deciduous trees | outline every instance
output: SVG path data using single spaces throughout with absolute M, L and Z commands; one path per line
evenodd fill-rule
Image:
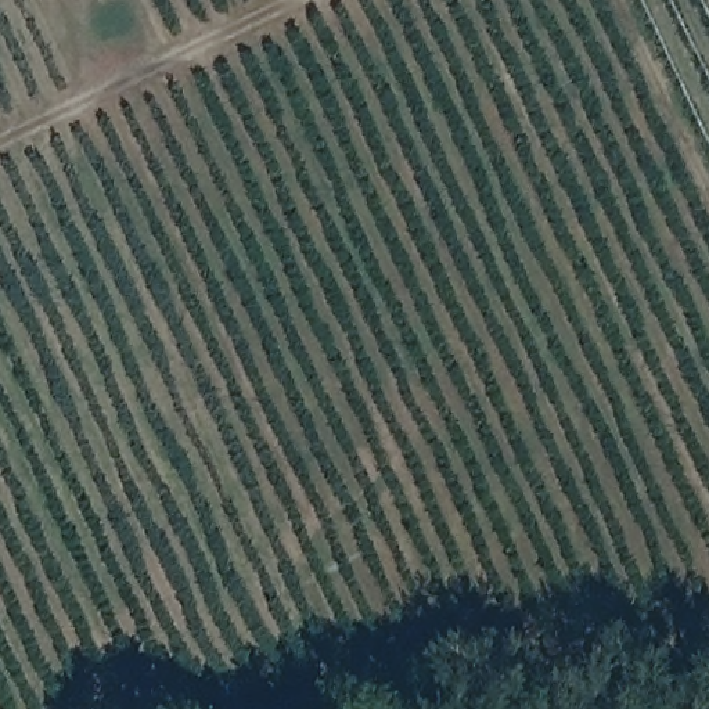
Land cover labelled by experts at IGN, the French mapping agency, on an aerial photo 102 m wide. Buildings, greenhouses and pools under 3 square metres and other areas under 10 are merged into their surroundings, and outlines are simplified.
M 33 565 L 8 523 L 6 507 L 0 504 L 0 535 L 25 579 L 25 587 L 33 598 L 33 609 L 61 659 L 61 673 L 50 670 L 0 562 L 0 595 L 6 601 L 8 620 L 14 623 L 33 670 L 44 681 L 44 698 L 30 690 L 0 631 L 0 709 L 47 709 L 44 701 L 61 692 L 61 676 L 72 676 L 72 645 L 66 645 L 47 607 L 47 595 L 33 573 Z
M 191 424 L 183 407 L 166 349 L 147 318 L 141 296 L 105 230 L 105 222 L 83 194 L 80 177 L 72 169 L 72 158 L 61 138 L 53 138 L 50 147 L 72 186 L 72 194 L 97 241 L 97 249 L 102 252 L 105 266 L 111 269 L 114 282 L 130 307 L 141 341 L 150 349 L 150 357 L 172 399 L 172 410 L 177 413 L 186 438 L 191 440 L 202 465 L 208 468 L 208 476 L 222 499 L 222 510 L 233 526 L 233 535 L 238 537 L 246 559 L 252 562 L 260 579 L 266 604 L 280 626 L 280 637 L 288 643 L 288 651 L 296 659 L 305 659 L 305 643 L 299 629 L 282 609 L 269 579 L 269 571 L 249 532 L 241 523 L 233 496 L 227 496 L 208 446 L 202 443 L 197 427 Z
M 177 33 L 180 22 L 169 0 L 152 0 L 155 8 L 166 30 Z
M 83 609 L 75 601 L 66 576 L 61 573 L 42 535 L 33 510 L 28 507 L 22 482 L 11 471 L 8 454 L 0 443 L 0 474 L 11 487 L 17 515 L 25 532 L 30 535 L 30 543 L 39 551 L 42 565 L 50 582 L 55 584 L 58 598 L 75 626 L 78 648 L 91 662 L 102 662 L 105 645 L 94 645 Z
M 42 61 L 55 89 L 64 89 L 64 75 L 58 72 L 53 50 L 25 0 L 14 0 L 14 6 L 25 17 L 25 25 L 33 36 L 33 44 L 42 53 Z
M 341 662 L 318 662 L 313 667 L 318 673 L 321 692 L 321 703 L 316 709 L 709 709 L 709 634 L 695 637 L 701 651 L 692 654 L 692 670 L 670 673 L 670 654 L 659 648 L 667 634 L 659 634 L 654 626 L 634 626 L 629 631 L 626 623 L 612 623 L 604 629 L 604 637 L 595 643 L 590 659 L 582 659 L 568 670 L 546 673 L 537 659 L 537 643 L 543 640 L 543 634 L 504 634 L 499 629 L 487 629 L 482 637 L 468 640 L 460 631 L 449 631 L 446 637 L 432 640 L 421 654 L 410 656 L 410 670 L 393 690 L 388 684 L 371 684 L 357 676 L 349 676 Z
M 288 33 L 280 42 L 274 42 L 271 36 L 263 39 L 260 50 L 241 55 L 246 69 L 238 75 L 233 75 L 230 64 L 216 72 L 213 61 L 205 66 L 191 66 L 191 72 L 177 83 L 169 75 L 166 91 L 155 97 L 152 102 L 147 102 L 147 111 L 161 130 L 161 136 L 152 141 L 147 138 L 130 108 L 125 108 L 122 114 L 144 152 L 150 172 L 158 180 L 155 188 L 147 191 L 138 180 L 111 119 L 105 116 L 97 122 L 119 169 L 108 172 L 86 127 L 75 133 L 78 147 L 83 150 L 105 188 L 105 199 L 127 238 L 127 246 L 147 280 L 147 288 L 174 335 L 183 363 L 191 371 L 197 391 L 219 427 L 219 435 L 230 451 L 241 485 L 249 493 L 252 510 L 271 543 L 277 568 L 299 609 L 299 629 L 321 634 L 324 623 L 330 620 L 343 634 L 355 634 L 357 620 L 368 631 L 374 631 L 379 618 L 402 620 L 404 604 L 418 593 L 418 573 L 443 582 L 468 576 L 471 590 L 487 595 L 487 604 L 515 609 L 518 604 L 512 601 L 512 593 L 499 590 L 499 573 L 507 568 L 526 568 L 535 559 L 543 571 L 543 582 L 557 584 L 559 590 L 579 590 L 582 576 L 593 573 L 604 576 L 612 587 L 626 593 L 637 604 L 651 604 L 654 595 L 648 582 L 667 582 L 670 571 L 681 576 L 687 593 L 709 590 L 709 213 L 701 202 L 698 186 L 687 172 L 687 163 L 667 125 L 662 122 L 654 105 L 648 80 L 640 64 L 634 61 L 629 39 L 620 33 L 615 22 L 609 0 L 360 0 L 360 8 L 366 11 L 374 28 L 366 36 L 357 33 L 343 3 L 332 8 L 338 17 L 338 25 L 332 28 L 327 28 L 321 14 L 307 17 L 310 22 L 302 25 L 296 33 Z M 321 529 L 313 535 L 307 535 L 302 512 L 285 482 L 285 474 L 291 471 L 299 476 L 305 496 L 313 504 L 316 518 L 321 523 Z M 305 554 L 305 559 L 296 565 L 291 562 L 277 532 L 277 526 L 285 521 L 291 521 L 296 543 Z
M 69 219 L 61 188 L 50 166 L 44 163 L 42 152 L 36 147 L 25 147 L 25 158 L 30 161 L 42 186 L 50 194 L 55 222 L 78 260 L 89 294 L 102 310 L 108 335 L 122 357 L 127 379 L 133 382 L 144 418 L 152 435 L 158 438 L 163 457 L 186 485 L 205 540 L 216 557 L 224 587 L 230 590 L 244 623 L 255 637 L 252 645 L 269 662 L 280 662 L 277 637 L 271 637 L 263 626 L 246 584 L 230 562 L 210 504 L 197 485 L 186 451 L 180 449 L 174 432 L 166 427 L 161 410 L 155 407 L 147 391 L 141 368 L 122 330 L 122 321 L 114 310 L 114 302 L 89 258 L 89 249 L 78 227 Z
M 28 97 L 36 97 L 39 91 L 30 61 L 22 53 L 19 39 L 14 36 L 8 17 L 0 8 L 0 33 L 22 75 L 25 91 Z
M 180 667 L 199 676 L 208 667 L 213 673 L 246 667 L 252 645 L 246 645 L 235 634 L 213 587 L 208 562 L 197 548 L 197 540 L 186 518 L 177 510 L 177 501 L 172 499 L 166 482 L 161 479 L 152 460 L 144 451 L 133 415 L 114 379 L 111 360 L 91 327 L 91 318 L 78 296 L 72 277 L 66 274 L 58 252 L 53 249 L 53 241 L 36 213 L 36 205 L 22 183 L 17 163 L 3 161 L 6 172 L 33 227 L 36 244 L 61 288 L 61 296 L 66 299 L 80 332 L 86 335 L 86 343 L 97 360 L 105 393 L 111 396 L 127 446 L 141 471 L 147 474 L 150 485 L 155 487 L 163 512 L 194 565 L 205 604 L 224 643 L 230 645 L 233 659 L 222 665 L 219 651 L 202 629 L 180 562 L 166 535 L 152 521 L 144 496 L 130 479 L 119 446 L 102 415 L 102 407 L 89 385 L 80 355 L 64 327 L 64 318 L 55 302 L 50 299 L 50 291 L 30 252 L 22 246 L 22 238 L 0 202 L 0 230 L 6 233 L 14 258 L 19 260 L 33 294 L 39 296 L 61 341 L 64 357 L 72 366 L 83 399 L 91 410 L 91 418 L 102 432 L 105 449 L 116 465 L 122 487 L 166 571 L 169 584 L 177 593 L 183 618 L 205 654 L 205 665 L 199 665 L 183 645 L 180 631 L 174 629 L 147 573 L 136 535 L 125 521 L 125 512 L 94 460 L 91 443 L 86 440 L 66 379 L 61 377 L 55 357 L 47 346 L 47 338 L 0 249 L 0 288 L 6 291 L 22 327 L 30 335 L 30 343 L 39 355 L 42 371 L 50 385 L 50 396 L 55 399 L 72 429 L 80 457 L 108 510 L 108 521 L 116 529 L 125 557 L 169 640 L 169 645 L 155 643 L 144 609 L 138 607 L 125 573 L 116 565 L 116 557 L 102 535 L 100 518 L 91 510 L 91 501 L 83 485 L 78 482 L 66 451 L 58 443 L 58 435 L 50 424 L 50 415 L 42 407 L 42 399 L 30 382 L 22 355 L 14 346 L 14 338 L 8 335 L 6 321 L 0 316 L 0 352 L 8 357 L 14 382 L 19 385 L 19 391 L 28 399 L 28 407 L 39 418 L 44 443 L 55 457 L 61 479 L 75 496 L 94 535 L 97 551 L 119 590 L 119 598 L 125 601 L 136 623 L 133 634 L 125 634 L 119 629 L 119 620 L 105 598 L 97 573 L 89 565 L 80 537 L 69 523 L 50 485 L 50 476 L 19 415 L 14 413 L 8 393 L 0 385 L 0 413 L 6 415 L 8 429 L 14 432 L 22 454 L 30 463 L 44 507 L 53 515 L 61 540 L 72 554 L 94 607 L 102 615 L 114 648 L 125 651 L 130 648 L 130 640 L 136 640 L 138 651 L 155 659 L 174 659 Z

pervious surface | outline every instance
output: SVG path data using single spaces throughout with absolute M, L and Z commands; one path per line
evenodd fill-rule
M 105 116 L 111 119 L 122 114 L 125 108 L 130 108 L 127 100 L 136 94 L 144 97 L 144 91 L 150 91 L 155 97 L 166 91 L 169 75 L 177 83 L 191 72 L 191 66 L 205 66 L 213 61 L 216 55 L 224 55 L 238 44 L 252 44 L 263 39 L 271 36 L 274 42 L 280 42 L 288 33 L 296 33 L 302 25 L 310 22 L 307 17 L 305 6 L 318 0 L 282 0 L 271 6 L 252 3 L 244 11 L 244 19 L 227 22 L 222 11 L 216 11 L 213 0 L 169 0 L 180 22 L 177 33 L 166 30 L 155 8 L 141 22 L 147 36 L 147 66 L 138 66 L 114 83 L 105 75 L 94 86 L 80 89 L 78 94 L 64 97 L 61 102 L 50 102 L 39 91 L 36 97 L 28 97 L 25 91 L 19 102 L 11 100 L 11 111 L 6 111 L 0 119 L 0 174 L 6 172 L 3 161 L 17 163 L 25 158 L 25 147 L 36 147 L 42 152 L 50 147 L 53 138 L 61 138 L 75 133 L 86 127 L 97 122 Z

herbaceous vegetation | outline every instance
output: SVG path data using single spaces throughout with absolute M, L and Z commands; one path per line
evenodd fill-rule
M 305 554 L 296 543 L 291 521 L 285 521 L 277 526 L 277 532 L 291 562 L 296 565 L 305 559 Z
M 33 670 L 14 623 L 8 620 L 6 601 L 0 595 L 0 631 L 30 690 L 44 698 L 44 681 Z
M 97 122 L 86 127 L 108 172 L 119 169 Z
M 252 3 L 271 6 L 282 0 L 213 0 L 216 11 L 222 11 L 227 22 L 244 19 L 244 11 Z
M 222 510 L 222 499 L 208 476 L 208 468 L 202 465 L 191 440 L 186 438 L 177 413 L 172 410 L 172 399 L 150 357 L 150 349 L 141 341 L 130 307 L 114 282 L 111 269 L 105 266 L 102 252 L 97 249 L 97 241 L 72 194 L 72 186 L 50 147 L 42 152 L 44 163 L 50 166 L 61 188 L 69 219 L 78 227 L 89 249 L 89 258 L 114 302 L 114 310 L 122 321 L 122 330 L 141 368 L 147 391 L 155 407 L 161 410 L 166 427 L 174 432 L 180 449 L 186 451 L 197 485 L 210 504 L 230 562 L 246 584 L 263 626 L 271 637 L 277 637 L 280 662 L 269 662 L 252 645 L 246 667 L 213 673 L 208 667 L 199 676 L 180 667 L 174 659 L 155 659 L 138 651 L 136 640 L 130 640 L 130 648 L 125 651 L 114 648 L 102 615 L 94 607 L 72 554 L 61 540 L 53 515 L 44 507 L 30 463 L 22 454 L 14 432 L 8 429 L 6 415 L 0 413 L 0 443 L 8 454 L 11 471 L 22 482 L 28 507 L 33 510 L 42 535 L 61 573 L 66 576 L 75 601 L 83 609 L 94 645 L 105 645 L 102 662 L 91 662 L 78 648 L 75 626 L 58 598 L 55 584 L 50 582 L 42 565 L 39 551 L 30 543 L 30 535 L 25 532 L 17 515 L 11 487 L 0 474 L 0 504 L 6 507 L 8 523 L 33 565 L 33 573 L 47 595 L 47 607 L 66 645 L 72 645 L 72 676 L 61 676 L 61 692 L 44 701 L 47 709 L 316 709 L 321 703 L 321 692 L 318 673 L 313 667 L 318 662 L 341 662 L 349 676 L 357 676 L 371 684 L 388 684 L 393 690 L 410 670 L 410 656 L 421 654 L 432 640 L 446 637 L 449 631 L 460 631 L 468 640 L 482 637 L 487 629 L 499 629 L 504 634 L 543 634 L 543 640 L 537 643 L 537 659 L 546 673 L 568 670 L 582 659 L 590 659 L 595 643 L 604 637 L 604 629 L 612 623 L 626 623 L 629 631 L 634 626 L 654 626 L 659 634 L 667 634 L 659 648 L 670 654 L 670 673 L 692 670 L 692 654 L 701 651 L 695 637 L 709 634 L 709 590 L 687 593 L 681 576 L 670 571 L 667 582 L 648 582 L 654 595 L 651 604 L 637 604 L 626 593 L 612 587 L 604 576 L 593 573 L 582 576 L 579 590 L 559 590 L 557 584 L 543 582 L 543 571 L 535 559 L 526 568 L 507 568 L 499 573 L 499 590 L 512 593 L 512 601 L 518 604 L 515 609 L 487 604 L 487 595 L 471 590 L 468 576 L 443 582 L 418 573 L 418 593 L 404 604 L 402 620 L 379 618 L 374 631 L 368 631 L 357 620 L 355 634 L 343 634 L 330 620 L 324 623 L 321 634 L 299 629 L 305 643 L 305 659 L 296 659 L 288 651 L 288 643 L 280 637 L 280 626 L 266 604 L 260 579 L 252 562 L 246 559 L 238 537 L 233 535 L 233 526 Z
M 343 3 L 357 33 L 366 36 L 374 28 L 366 11 L 360 8 L 360 0 L 318 0 L 305 6 L 307 17 L 321 14 L 327 28 L 332 28 L 338 25 L 338 17 L 332 8 Z
M 11 100 L 19 102 L 25 91 L 22 75 L 0 33 L 0 119 L 6 111 L 11 111 Z
M 307 535 L 313 535 L 321 529 L 321 523 L 316 518 L 313 504 L 305 496 L 299 476 L 291 471 L 285 474 L 285 482 L 302 512 Z
M 55 302 L 64 318 L 64 327 L 80 355 L 89 385 L 102 407 L 102 415 L 119 446 L 130 479 L 144 496 L 152 521 L 166 535 L 180 562 L 202 629 L 219 651 L 222 665 L 233 659 L 230 645 L 224 643 L 205 604 L 194 565 L 163 512 L 155 487 L 150 485 L 147 474 L 141 471 L 127 446 L 111 396 L 105 393 L 97 360 L 86 343 L 86 335 L 80 332 L 66 299 L 61 296 L 61 288 L 36 244 L 33 227 L 6 172 L 0 174 L 0 202 L 22 238 L 22 246 L 30 252 L 50 291 L 50 299 Z
M 150 172 L 144 152 L 122 114 L 111 119 L 138 180 L 147 191 L 155 188 L 158 180 Z
M 0 230 L 0 249 L 47 338 L 47 346 L 55 357 L 61 377 L 66 379 L 86 440 L 91 443 L 94 460 L 125 512 L 125 521 L 136 535 L 147 573 L 174 629 L 180 631 L 183 645 L 199 665 L 205 665 L 205 654 L 183 618 L 177 593 L 169 584 L 166 571 L 122 487 L 116 465 L 105 449 L 102 432 L 91 418 L 91 410 L 83 399 L 72 366 L 64 357 L 61 341 L 39 296 L 33 294 L 19 260 L 14 258 L 6 233 Z
M 44 443 L 39 418 L 28 407 L 28 399 L 19 391 L 19 385 L 14 382 L 8 357 L 0 352 L 0 385 L 8 393 L 14 413 L 19 415 L 50 476 L 50 485 L 69 523 L 80 537 L 89 565 L 97 573 L 105 598 L 119 620 L 119 629 L 125 634 L 133 634 L 136 623 L 125 601 L 119 598 L 119 590 L 97 551 L 94 535 L 75 496 L 61 479 L 55 457 Z
M 33 598 L 25 587 L 25 579 L 0 535 L 0 562 L 50 670 L 61 673 L 61 659 L 33 609 Z
M 152 141 L 161 136 L 161 130 L 147 111 L 147 102 L 152 102 L 155 97 L 150 91 L 144 91 L 144 97 L 136 94 L 127 100 L 130 108 L 147 138 Z
M 238 44 L 224 55 L 216 55 L 213 61 L 216 72 L 230 64 L 233 75 L 238 75 L 246 69 L 241 55 L 260 50 L 263 39 L 252 44 Z
M 83 485 L 91 501 L 91 510 L 100 518 L 102 535 L 116 557 L 116 565 L 125 573 L 138 607 L 144 609 L 155 643 L 169 645 L 169 640 L 125 557 L 116 529 L 108 521 L 108 510 L 80 457 L 72 429 L 55 399 L 50 396 L 50 385 L 42 371 L 39 355 L 30 343 L 30 335 L 22 327 L 6 291 L 0 288 L 0 316 L 6 321 L 8 335 L 14 338 L 14 346 L 22 355 L 30 382 L 42 399 L 42 407 L 50 415 L 50 424 L 58 435 L 58 443 L 66 451 L 78 482 Z
M 42 61 L 42 53 L 33 44 L 33 36 L 25 25 L 25 17 L 14 6 L 14 0 L 0 0 L 0 8 L 8 17 L 14 36 L 19 39 L 22 53 L 30 61 L 39 91 L 50 102 L 61 102 L 64 97 L 78 94 L 80 89 L 94 86 L 105 75 L 114 83 L 138 66 L 147 66 L 147 36 L 141 22 L 155 8 L 152 0 L 25 0 L 53 50 L 58 72 L 64 75 L 64 89 L 55 89 Z
M 249 493 L 241 485 L 230 451 L 219 435 L 219 427 L 197 391 L 191 371 L 183 363 L 174 335 L 147 288 L 147 280 L 127 246 L 127 238 L 105 199 L 105 188 L 83 150 L 78 147 L 75 133 L 61 138 L 72 158 L 72 169 L 80 177 L 83 194 L 105 222 L 105 230 L 141 296 L 147 318 L 166 349 L 183 407 L 191 424 L 197 427 L 202 443 L 208 446 L 227 496 L 233 496 L 241 523 L 249 532 L 269 571 L 269 579 L 282 609 L 299 629 L 299 609 L 277 568 L 271 543 L 252 510 Z
M 58 252 L 66 274 L 72 277 L 78 296 L 91 318 L 91 327 L 111 360 L 114 379 L 133 415 L 144 451 L 152 460 L 161 479 L 166 482 L 172 499 L 177 501 L 177 510 L 186 518 L 197 540 L 197 548 L 208 562 L 213 587 L 235 634 L 246 645 L 252 645 L 255 637 L 244 623 L 230 590 L 224 587 L 216 557 L 205 540 L 186 485 L 163 457 L 158 438 L 152 435 L 144 418 L 133 382 L 127 379 L 122 357 L 108 335 L 102 310 L 89 294 L 78 260 L 55 222 L 50 194 L 42 186 L 30 161 L 25 158 L 17 163 L 22 183 L 36 205 L 36 213 L 53 241 L 53 249 Z

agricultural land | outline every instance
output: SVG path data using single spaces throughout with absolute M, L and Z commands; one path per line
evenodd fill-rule
M 687 172 L 698 186 L 701 202 L 709 213 L 709 0 L 609 0 L 615 22 L 620 33 L 629 39 L 634 61 L 640 64 L 648 80 L 654 105 L 662 122 L 667 125 L 687 163 Z

